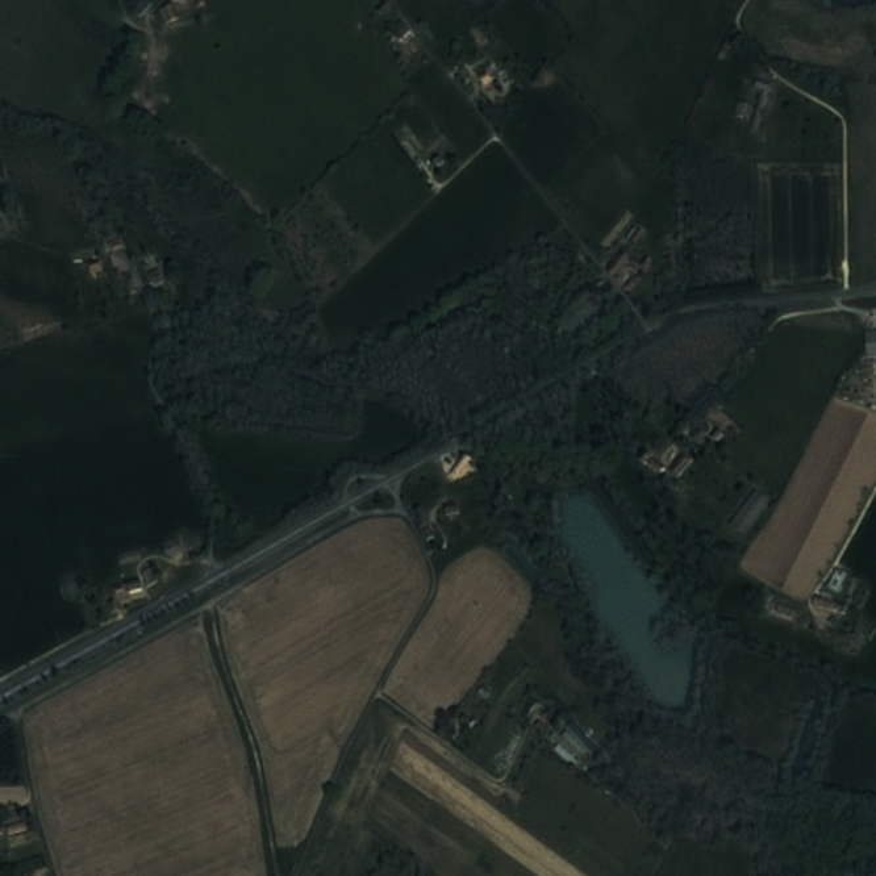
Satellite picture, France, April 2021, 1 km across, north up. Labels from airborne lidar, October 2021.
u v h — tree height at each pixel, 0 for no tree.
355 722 0
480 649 0
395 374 28
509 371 17
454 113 0
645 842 0
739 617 0
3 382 0
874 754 0
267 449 0
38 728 0
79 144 17
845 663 0
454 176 0
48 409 0
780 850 18
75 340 0
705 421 15
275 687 0
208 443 0
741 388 0
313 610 0
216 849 0
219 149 0
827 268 0
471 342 17
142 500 0
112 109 20
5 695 0
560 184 0
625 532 0
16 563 0
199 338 19
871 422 0
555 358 16
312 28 0
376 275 0
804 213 0
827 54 0
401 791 0
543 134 0
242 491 0
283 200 0
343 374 17
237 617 0
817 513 0
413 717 0
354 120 0
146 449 0
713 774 18
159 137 17
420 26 7
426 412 25
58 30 0
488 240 0
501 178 0
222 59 0
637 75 0
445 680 0
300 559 0
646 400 15
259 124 0
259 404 19
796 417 0
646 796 12
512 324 15
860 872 14
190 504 0
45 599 0
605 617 0
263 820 0
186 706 0
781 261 0
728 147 0
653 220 0
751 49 11
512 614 0
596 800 0
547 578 16
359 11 0
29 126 17
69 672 8
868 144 0
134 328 0
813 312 0
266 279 21
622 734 15
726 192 12
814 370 0
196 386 16
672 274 18
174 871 0
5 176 17
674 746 23
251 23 0
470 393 25
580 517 0
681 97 0
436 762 0
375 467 7
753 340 18
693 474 7
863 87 0
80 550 0
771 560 0
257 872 0
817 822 21
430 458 0
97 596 9
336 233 7
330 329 0
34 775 0
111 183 15
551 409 26
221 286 18
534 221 0
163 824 0
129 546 0
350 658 0
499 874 0
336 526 0
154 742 0
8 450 0
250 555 0
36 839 0
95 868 0
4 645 0
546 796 0
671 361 21
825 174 0
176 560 0
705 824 11
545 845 0
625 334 17
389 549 0
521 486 0
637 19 0
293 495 0
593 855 0
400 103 6
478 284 16
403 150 9
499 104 6
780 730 0
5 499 0
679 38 0
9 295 0
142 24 0
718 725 21
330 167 9
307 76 0
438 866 0
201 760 0
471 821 0
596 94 0
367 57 0
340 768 0
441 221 0
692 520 0
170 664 0
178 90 0
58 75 0
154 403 0
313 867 0
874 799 12
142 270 6
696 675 14
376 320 0
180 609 12
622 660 14
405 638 0
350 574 0
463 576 0
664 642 19
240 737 0
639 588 0
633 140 0
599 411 17
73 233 0
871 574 0
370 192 0
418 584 0
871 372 0
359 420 17
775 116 0
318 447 0
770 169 0
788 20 0
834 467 0
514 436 31
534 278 11
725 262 10
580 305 19
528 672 0
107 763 0
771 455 0
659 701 0
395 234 0
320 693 0
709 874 0
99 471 0
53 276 0
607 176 0
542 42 0
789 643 0
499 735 0
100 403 0
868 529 0
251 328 20
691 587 26
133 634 12
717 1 0
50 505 0
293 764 0
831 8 6
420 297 0
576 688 0
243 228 0
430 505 0
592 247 11
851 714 0
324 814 0
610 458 20
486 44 0
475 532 0
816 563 0
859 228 0
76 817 0
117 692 0
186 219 0
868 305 0
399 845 0
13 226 24
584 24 0
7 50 0
